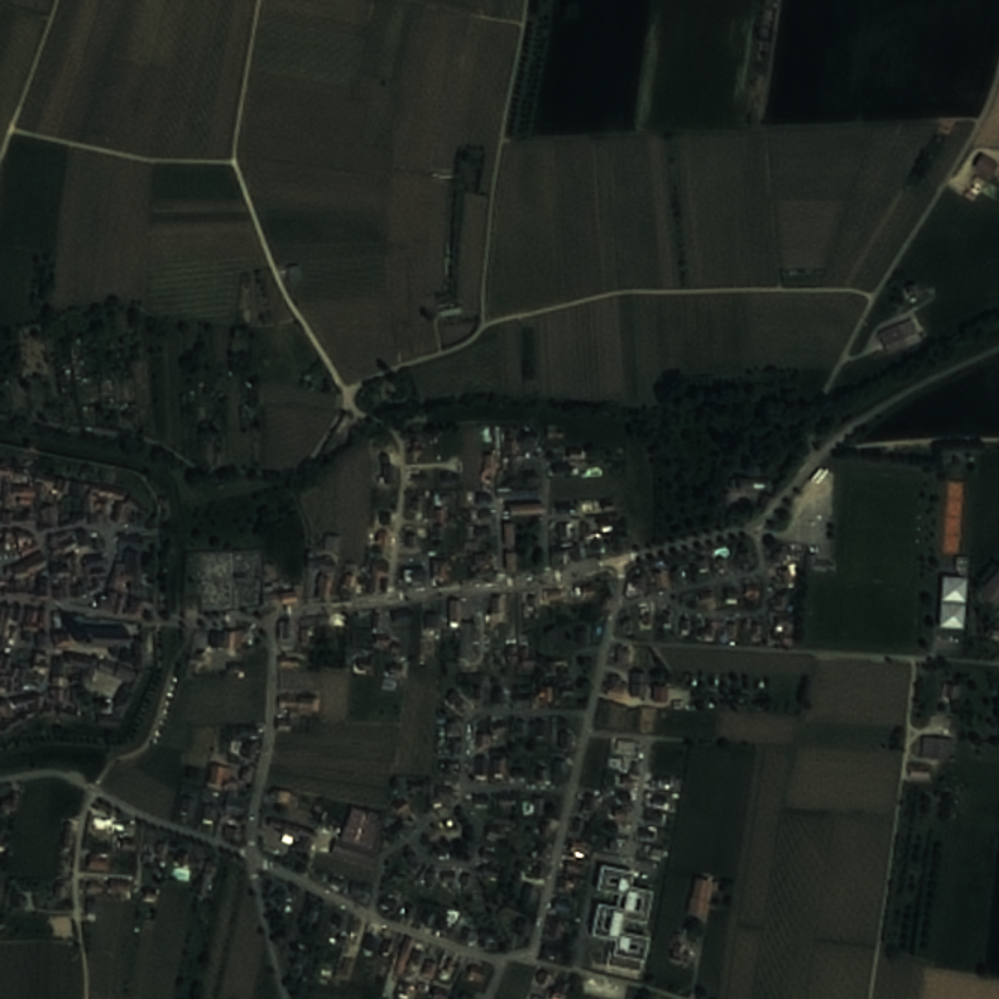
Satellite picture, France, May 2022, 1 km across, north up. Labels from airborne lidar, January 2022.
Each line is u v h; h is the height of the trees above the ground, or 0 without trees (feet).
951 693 0
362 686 0
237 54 0
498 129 0
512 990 0
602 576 0
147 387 0
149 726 0
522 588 0
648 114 0
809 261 0
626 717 0
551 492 0
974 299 0
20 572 0
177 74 0
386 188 0
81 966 0
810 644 0
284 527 0
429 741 0
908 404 0
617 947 0
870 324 0
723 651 0
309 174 0
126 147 0
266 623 0
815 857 0
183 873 0
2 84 0
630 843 0
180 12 0
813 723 0
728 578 0
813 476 0
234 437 0
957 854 0
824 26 0
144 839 0
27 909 0
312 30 0
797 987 0
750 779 0
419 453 0
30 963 0
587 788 0
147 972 0
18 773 0
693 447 0
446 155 0
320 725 0
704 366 0
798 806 0
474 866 0
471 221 0
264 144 0
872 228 0
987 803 0
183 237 0
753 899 0
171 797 0
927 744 0
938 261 0
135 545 0
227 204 0
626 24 0
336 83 0
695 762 0
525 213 0
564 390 0
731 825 0
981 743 43
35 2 0
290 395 0
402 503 0
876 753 0
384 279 0
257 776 0
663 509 27
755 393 58
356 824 0
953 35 0
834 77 0
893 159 0
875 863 0
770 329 0
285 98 0
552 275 0
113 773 0
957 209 0
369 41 0
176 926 0
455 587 0
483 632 0
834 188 0
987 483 0
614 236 0
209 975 0
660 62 0
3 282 0
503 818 0
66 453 0
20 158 0
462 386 0
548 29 20
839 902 0
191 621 0
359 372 0
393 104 0
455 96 0
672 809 0
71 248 0
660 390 43
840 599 0
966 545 0
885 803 0
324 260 0
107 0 0
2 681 0
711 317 0
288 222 0
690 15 0
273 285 0
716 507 38
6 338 22
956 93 0
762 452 56
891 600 0
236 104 0
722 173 0
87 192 0
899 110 0
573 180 0
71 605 0
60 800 0
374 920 0
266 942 0
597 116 0
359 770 0
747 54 0
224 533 19
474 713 0
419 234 0
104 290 0
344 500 0
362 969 0
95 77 0
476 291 0
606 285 0
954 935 0
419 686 0
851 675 0
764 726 0
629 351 0
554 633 0
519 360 0
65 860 0
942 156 0
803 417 67
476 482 0
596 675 0
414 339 0
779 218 0
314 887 0
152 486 0
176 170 0
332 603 0
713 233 0
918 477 0
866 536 0
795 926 0
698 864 0
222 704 0
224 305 0
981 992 0
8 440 0
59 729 25
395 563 0
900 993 0
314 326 0
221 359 0
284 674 0
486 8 0
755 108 0
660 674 35
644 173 0
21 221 0
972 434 0
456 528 0
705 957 0
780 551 0
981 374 0
